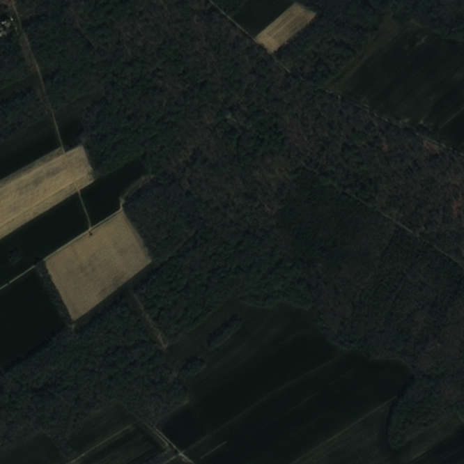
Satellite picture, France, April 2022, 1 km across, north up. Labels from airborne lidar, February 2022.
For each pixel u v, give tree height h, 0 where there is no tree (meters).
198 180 29
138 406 22
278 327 0
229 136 28
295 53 28
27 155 0
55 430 18
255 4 0
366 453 0
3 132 24
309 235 12
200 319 17
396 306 13
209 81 23
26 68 20
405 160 30
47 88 16
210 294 24
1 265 0
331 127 24
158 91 26
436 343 20
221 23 24
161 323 16
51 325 0
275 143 24
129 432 0
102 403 25
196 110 23
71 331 20
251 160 27
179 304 28
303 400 0
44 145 0
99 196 0
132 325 17
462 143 0
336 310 16
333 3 23
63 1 18
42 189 0
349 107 27
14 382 28
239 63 25
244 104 25
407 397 26
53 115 0
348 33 29
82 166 0
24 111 23
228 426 0
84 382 25
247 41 24
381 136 26
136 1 21
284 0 0
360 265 15
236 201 20
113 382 24
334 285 14
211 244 25
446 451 0
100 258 0
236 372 0
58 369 20
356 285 14
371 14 30
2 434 16
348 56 22
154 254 19
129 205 22
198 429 0
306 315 0
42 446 0
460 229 18
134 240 0
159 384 25
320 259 13
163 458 19
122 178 0
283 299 10
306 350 0
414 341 10
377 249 16
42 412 22
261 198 13
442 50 0
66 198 0
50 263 0
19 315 0
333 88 0
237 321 20
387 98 0
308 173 13
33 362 23
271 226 22
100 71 24
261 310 0
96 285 0
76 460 0
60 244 0
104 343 21
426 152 15
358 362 0
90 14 27
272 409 0
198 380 0
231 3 14
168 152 24
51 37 28
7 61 23
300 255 12
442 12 29
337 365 0
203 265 26
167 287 19
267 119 16
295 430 0
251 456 0
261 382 0
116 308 14
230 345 0
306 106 28
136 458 0
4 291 0
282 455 0
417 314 13
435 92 0
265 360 0
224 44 24
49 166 0
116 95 25
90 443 0
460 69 0
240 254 27
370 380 0
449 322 20
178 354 0
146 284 18
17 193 0
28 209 0
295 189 18
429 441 0
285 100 26
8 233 0
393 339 16
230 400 0
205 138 27
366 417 0
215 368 0
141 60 28
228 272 24
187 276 24
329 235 15
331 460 0
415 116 0
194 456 0
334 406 0
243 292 19
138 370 25
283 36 0
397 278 7
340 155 27
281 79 24
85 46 21
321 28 25
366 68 0
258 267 27
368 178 8
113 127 24
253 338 0
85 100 0
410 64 0
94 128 23
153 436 0
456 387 21
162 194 30
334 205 15
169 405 19
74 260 0
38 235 0
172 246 24
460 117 0
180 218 28
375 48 0
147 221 26
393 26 0
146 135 26
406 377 0
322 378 0
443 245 14
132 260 0
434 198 15
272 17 0
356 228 12
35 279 0
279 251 20
